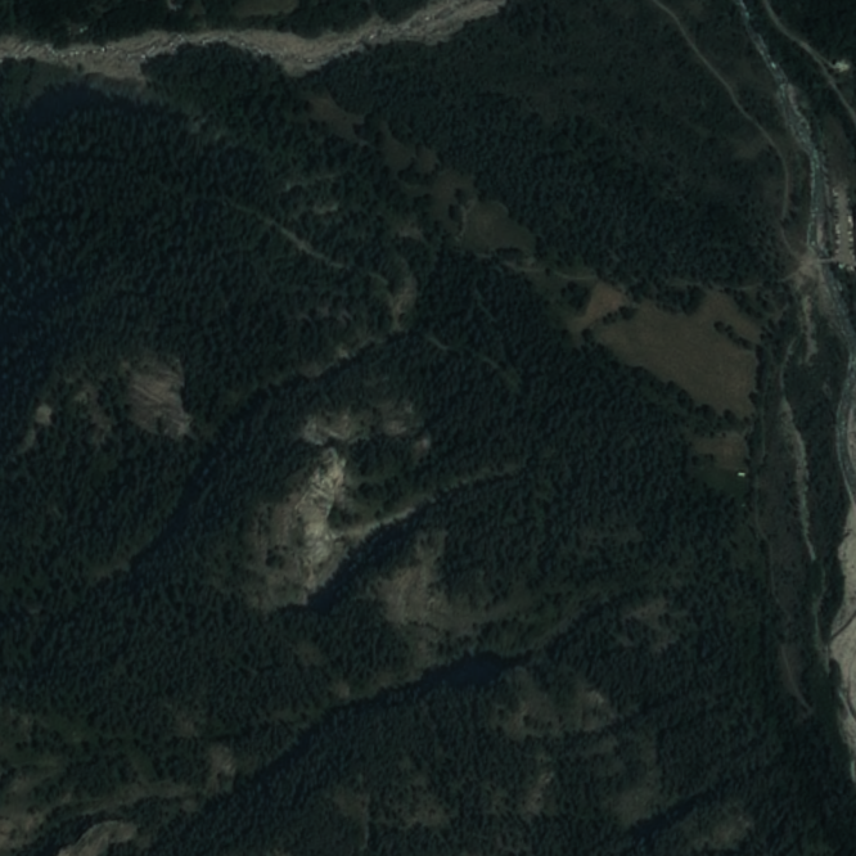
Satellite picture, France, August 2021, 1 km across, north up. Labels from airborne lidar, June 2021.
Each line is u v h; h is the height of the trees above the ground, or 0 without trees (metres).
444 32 0
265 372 33
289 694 29
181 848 13
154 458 27
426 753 29
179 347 19
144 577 13
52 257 14
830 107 12
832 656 0
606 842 27
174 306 21
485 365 16
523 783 27
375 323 31
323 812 14
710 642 27
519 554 13
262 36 0
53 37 8
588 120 7
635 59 7
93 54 0
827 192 0
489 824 10
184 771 29
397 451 26
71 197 29
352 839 14
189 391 34
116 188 30
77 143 18
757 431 6
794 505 13
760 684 12
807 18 6
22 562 23
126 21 11
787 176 0
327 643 17
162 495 39
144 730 20
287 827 19
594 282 0
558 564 23
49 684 19
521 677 8
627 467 21
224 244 28
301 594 0
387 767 17
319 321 15
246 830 10
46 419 0
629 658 31
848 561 0
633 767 19
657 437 21
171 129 22
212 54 14
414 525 22
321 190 12
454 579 18
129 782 24
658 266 15
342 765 24
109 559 13
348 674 19
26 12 14
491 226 0
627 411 20
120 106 14
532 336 22
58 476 28
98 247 14
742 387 0
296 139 12
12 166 24
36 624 29
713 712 26
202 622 27
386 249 14
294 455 19
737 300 7
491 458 14
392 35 0
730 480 0
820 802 16
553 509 30
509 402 33
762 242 10
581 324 0
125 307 25
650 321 0
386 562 15
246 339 17
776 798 18
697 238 16
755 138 0
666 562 10
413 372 17
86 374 12
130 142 34
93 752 21
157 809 20
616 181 8
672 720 22
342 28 8
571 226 21
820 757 12
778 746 11
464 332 17
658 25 0
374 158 20
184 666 23
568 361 21
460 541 29
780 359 11
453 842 21
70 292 6
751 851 22
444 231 7
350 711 26
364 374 15
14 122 13
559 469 21
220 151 17
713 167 6
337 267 8
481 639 11
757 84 0
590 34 0
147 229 36
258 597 10
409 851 8
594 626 22
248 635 25
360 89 24
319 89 12
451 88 7
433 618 12
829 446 10
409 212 9
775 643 6
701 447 0
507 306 14
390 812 19
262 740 16
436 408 30
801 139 0
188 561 15
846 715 0
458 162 23
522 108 16
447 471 25
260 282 25
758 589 19
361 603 11
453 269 21
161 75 11
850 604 0
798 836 5
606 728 9
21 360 21
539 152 7
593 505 24
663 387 9
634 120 13
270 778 25
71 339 17
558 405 15
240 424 33
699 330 0
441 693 12
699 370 0
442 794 25
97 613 28
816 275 0
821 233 0
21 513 5
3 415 13
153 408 0
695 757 11
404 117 25
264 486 24
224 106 9
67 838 16
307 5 8
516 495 21
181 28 12
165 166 19
